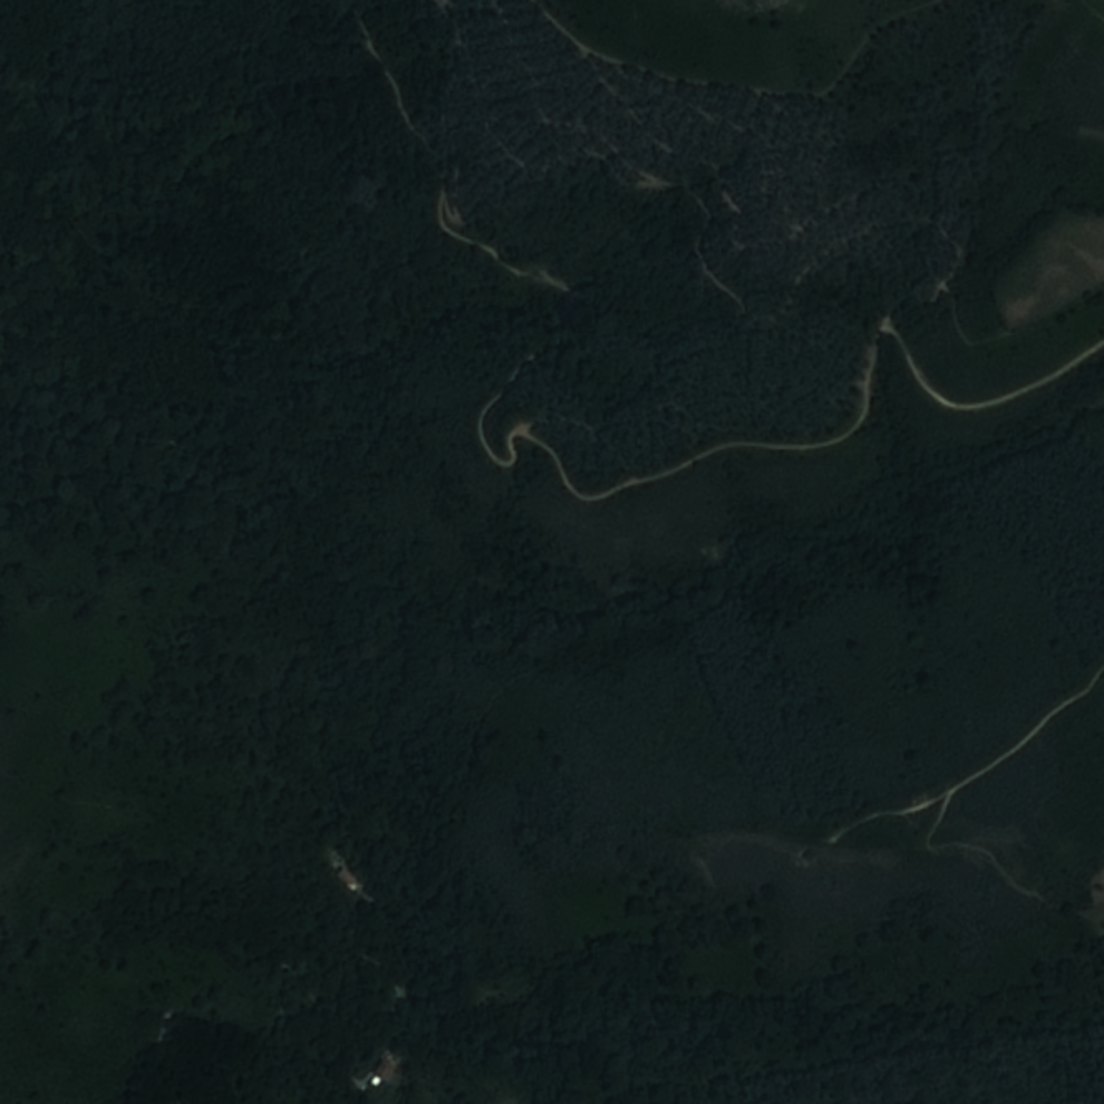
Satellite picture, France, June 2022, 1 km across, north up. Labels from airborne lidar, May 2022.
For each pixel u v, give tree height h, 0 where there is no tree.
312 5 8
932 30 9
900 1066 14
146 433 20
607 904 0
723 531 6
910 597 9
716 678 22
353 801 19
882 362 10
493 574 25
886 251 15
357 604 17
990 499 21
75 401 29
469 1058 16
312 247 6
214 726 13
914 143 12
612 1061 21
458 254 12
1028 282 0
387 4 17
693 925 16
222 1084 20
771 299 13
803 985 8
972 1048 8
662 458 16
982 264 12
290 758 23
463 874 13
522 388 14
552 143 18
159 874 14
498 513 12
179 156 23
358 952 13
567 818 6
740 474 9
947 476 9
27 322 22
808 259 9
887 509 14
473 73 18
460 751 7
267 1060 10
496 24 22
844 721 9
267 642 8
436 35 19
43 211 23
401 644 16
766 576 7
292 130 22
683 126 18
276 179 17
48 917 17
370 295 11
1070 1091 11
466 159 12
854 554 12
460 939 14
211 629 16
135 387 21
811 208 12
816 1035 15
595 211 8
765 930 20
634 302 11
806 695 13
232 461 26
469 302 17
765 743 19
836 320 17
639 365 19
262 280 16
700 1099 14
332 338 21
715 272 14
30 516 11
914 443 7
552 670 9
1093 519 18
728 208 9
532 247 14
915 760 13
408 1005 18
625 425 15
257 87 13
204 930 12
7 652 0
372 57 15
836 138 12
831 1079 14
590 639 19
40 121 21
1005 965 0
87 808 0
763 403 16
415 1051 15
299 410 31
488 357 10
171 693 16
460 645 6
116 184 8
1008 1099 8
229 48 7
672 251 7
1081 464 22
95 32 29
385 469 16
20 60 18
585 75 15
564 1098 14
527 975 6
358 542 12
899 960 6
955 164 18
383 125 17
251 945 15
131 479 14
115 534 12
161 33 13
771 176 17
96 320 19
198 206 26
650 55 7
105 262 6
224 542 20
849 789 11
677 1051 11
